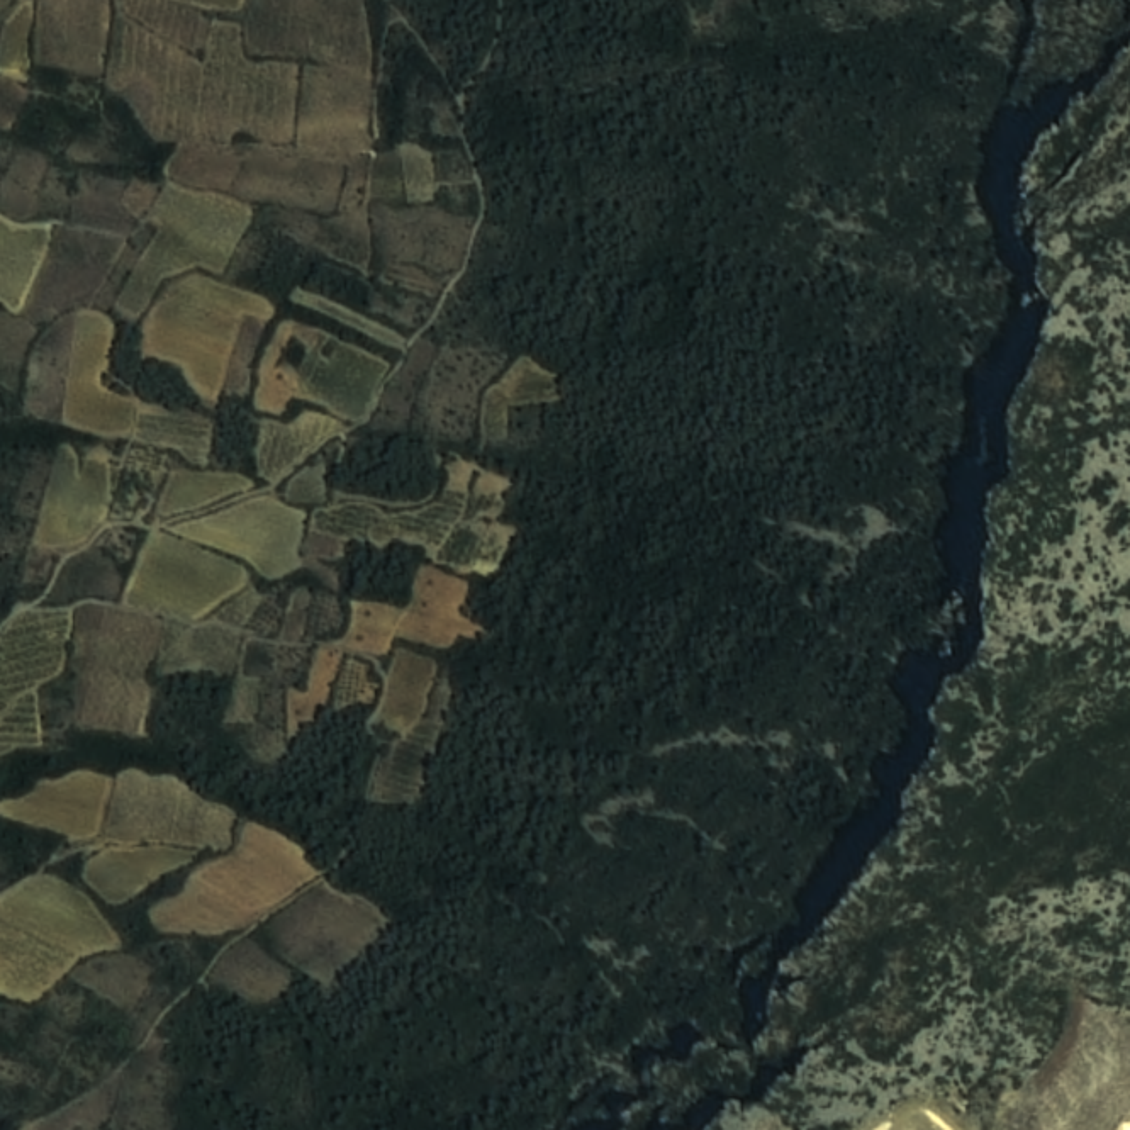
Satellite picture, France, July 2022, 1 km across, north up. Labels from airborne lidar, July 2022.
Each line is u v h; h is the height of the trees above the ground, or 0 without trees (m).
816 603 12
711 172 10
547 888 7
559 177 13
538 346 11
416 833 7
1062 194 0
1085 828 0
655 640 16
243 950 0
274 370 0
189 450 0
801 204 0
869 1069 0
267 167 0
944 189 8
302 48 0
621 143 18
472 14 11
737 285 14
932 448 11
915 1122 0
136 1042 0
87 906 0
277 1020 8
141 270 0
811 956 0
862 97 9
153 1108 0
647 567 9
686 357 11
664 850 9
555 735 6
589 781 15
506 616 10
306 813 14
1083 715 0
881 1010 0
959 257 6
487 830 18
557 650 10
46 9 0
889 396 7
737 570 14
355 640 0
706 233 10
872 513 0
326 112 0
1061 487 0
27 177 0
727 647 13
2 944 0
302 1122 6
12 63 0
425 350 0
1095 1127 0
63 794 0
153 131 0
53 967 0
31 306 0
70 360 0
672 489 6
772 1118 0
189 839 0
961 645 8
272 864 0
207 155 0
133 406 0
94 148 0
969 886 0
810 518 12
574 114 6
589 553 9
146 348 0
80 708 0
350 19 0
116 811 0
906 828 0
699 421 16
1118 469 0
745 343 16
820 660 12
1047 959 0
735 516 11
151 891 6
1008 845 0
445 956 13
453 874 8
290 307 7
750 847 12
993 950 0
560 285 11
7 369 0
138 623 0
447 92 6
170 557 0
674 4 9
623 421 11
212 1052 11
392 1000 12
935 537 10
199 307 0
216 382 0
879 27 8
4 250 0
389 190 0
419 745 0
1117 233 0
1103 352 0
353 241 0
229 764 8
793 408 13
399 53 6
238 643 0
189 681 16
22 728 0
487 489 0
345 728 11
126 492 6
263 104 0
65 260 0
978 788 0
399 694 0
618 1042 10
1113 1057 0
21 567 6
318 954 0
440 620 0
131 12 0
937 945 0
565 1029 15
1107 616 0
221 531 0
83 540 0
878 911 0
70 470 0
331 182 0
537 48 11
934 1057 0
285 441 0
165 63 0
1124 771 0
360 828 11
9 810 0
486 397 0
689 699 6
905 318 7
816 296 11
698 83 8
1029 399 0
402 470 16
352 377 0
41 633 0
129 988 0
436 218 0
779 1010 0
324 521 0
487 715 15
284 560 0
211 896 0
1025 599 0
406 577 10
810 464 8
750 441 12
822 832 6
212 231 0
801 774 10
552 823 16
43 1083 0
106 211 0
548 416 9
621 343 11
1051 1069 0
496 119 6
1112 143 0
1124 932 0
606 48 16
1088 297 0
